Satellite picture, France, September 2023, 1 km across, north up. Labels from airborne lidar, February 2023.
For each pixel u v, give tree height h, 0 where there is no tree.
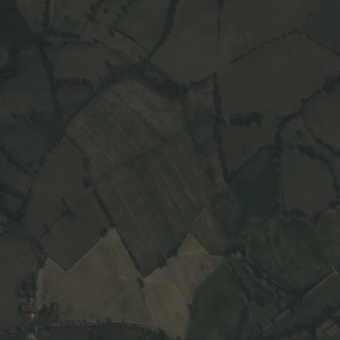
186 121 0
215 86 15
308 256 0
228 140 0
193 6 0
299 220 0
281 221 0
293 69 0
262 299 20
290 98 0
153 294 0
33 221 0
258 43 0
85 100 0
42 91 0
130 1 9
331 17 0
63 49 0
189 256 0
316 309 0
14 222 8
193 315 0
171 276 0
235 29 0
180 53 0
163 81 0
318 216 15
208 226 0
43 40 13
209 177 0
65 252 0
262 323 0
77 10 0
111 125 0
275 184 0
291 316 0
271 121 0
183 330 0
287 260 0
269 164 0
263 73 0
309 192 0
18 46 18
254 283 0
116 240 0
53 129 0
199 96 0
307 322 0
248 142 0
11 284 0
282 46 0
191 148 0
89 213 0
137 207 0
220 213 0
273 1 0
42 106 0
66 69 0
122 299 0
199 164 0
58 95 0
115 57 0
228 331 0
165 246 0
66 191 0
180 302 0
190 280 0
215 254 0
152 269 0
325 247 0
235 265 0
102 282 0
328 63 0
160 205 0
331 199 0
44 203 0
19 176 0
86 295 0
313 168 0
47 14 15
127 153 0
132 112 0
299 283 0
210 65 0
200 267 0
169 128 0
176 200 0
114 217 0
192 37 0
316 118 0
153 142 0
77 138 0
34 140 0
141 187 0
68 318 0
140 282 15
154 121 0
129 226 0
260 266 0
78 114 0
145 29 0
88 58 0
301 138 0
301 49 0
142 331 8
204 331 0
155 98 0
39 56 0
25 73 0
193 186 0
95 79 0
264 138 0
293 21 0
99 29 0
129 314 0
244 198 0
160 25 0
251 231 0
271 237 0
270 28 0
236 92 0
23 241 0
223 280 0
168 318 0
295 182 0
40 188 0
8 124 0
